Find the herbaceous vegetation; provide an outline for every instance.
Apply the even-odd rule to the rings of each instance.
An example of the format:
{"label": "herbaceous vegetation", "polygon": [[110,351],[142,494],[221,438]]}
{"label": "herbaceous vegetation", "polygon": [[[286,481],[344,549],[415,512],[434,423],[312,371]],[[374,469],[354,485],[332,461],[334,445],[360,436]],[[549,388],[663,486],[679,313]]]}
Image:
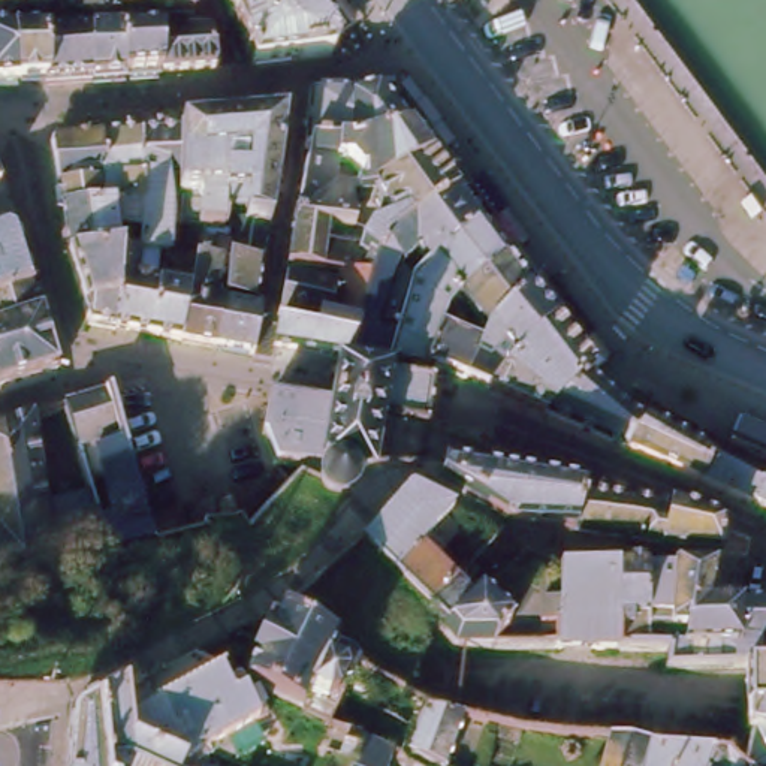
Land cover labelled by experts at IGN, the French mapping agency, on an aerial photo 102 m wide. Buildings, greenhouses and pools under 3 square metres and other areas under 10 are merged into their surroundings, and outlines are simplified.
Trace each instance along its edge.
{"label": "herbaceous vegetation", "polygon": [[293,751],[278,754],[266,745],[248,757],[236,757],[239,766],[311,766],[317,742],[323,739],[323,724],[305,715],[299,706],[278,697],[278,724],[287,730]]}
{"label": "herbaceous vegetation", "polygon": [[60,679],[105,679],[111,670],[129,667],[150,646],[162,643],[177,631],[186,631],[197,616],[194,604],[186,601],[186,592],[174,580],[159,583],[150,598],[144,598],[129,616],[123,616],[117,637],[102,652],[96,652],[87,640],[96,631],[102,631],[108,619],[75,613],[63,572],[54,566],[42,575],[48,595],[24,610],[24,619],[33,622],[33,634],[27,640],[0,643],[0,679]]}
{"label": "herbaceous vegetation", "polygon": [[317,470],[299,470],[287,479],[254,515],[245,512],[242,518],[227,518],[206,536],[212,542],[221,542],[236,557],[233,580],[215,595],[215,601],[227,604],[245,586],[272,563],[272,557],[281,557],[284,563],[302,563],[302,554],[323,530],[338,494],[320,485],[323,473]]}

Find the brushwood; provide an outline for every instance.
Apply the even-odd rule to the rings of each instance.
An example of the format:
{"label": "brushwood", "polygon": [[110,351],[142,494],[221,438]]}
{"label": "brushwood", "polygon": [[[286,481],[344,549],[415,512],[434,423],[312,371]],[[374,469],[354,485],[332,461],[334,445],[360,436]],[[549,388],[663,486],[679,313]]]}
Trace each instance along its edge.
{"label": "brushwood", "polygon": [[485,539],[497,536],[497,524],[458,503],[449,515],[464,530],[476,530]]}

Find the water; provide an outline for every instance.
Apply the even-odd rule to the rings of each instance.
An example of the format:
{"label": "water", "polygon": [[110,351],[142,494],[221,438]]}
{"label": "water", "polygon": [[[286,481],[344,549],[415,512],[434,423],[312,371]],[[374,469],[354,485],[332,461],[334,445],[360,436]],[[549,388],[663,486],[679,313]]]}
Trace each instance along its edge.
{"label": "water", "polygon": [[691,75],[700,81],[700,87],[709,93],[709,99],[733,126],[733,132],[742,138],[757,165],[766,171],[766,0],[637,0],[652,18],[652,24],[661,30],[661,36],[682,57],[682,63],[691,69]]}

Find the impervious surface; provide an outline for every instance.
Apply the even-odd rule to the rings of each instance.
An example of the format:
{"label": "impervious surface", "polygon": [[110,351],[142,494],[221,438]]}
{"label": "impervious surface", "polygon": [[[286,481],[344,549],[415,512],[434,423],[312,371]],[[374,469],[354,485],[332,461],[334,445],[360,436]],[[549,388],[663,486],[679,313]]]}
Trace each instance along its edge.
{"label": "impervious surface", "polygon": [[[242,518],[245,512],[254,515],[287,479],[275,467],[281,458],[263,437],[263,410],[269,404],[269,392],[278,383],[329,389],[338,368],[335,344],[314,344],[311,338],[302,338],[302,344],[296,347],[293,341],[272,341],[284,278],[293,278],[302,293],[320,290],[326,296],[338,290],[341,272],[338,266],[290,260],[293,209],[299,197],[308,197],[308,192],[299,192],[305,141],[320,123],[317,108],[323,84],[332,78],[359,81],[365,75],[386,75],[392,81],[410,78],[437,108],[449,132],[440,144],[461,168],[461,177],[470,183],[473,197],[482,203],[479,212],[488,215],[494,230],[506,242],[524,251],[527,278],[536,278],[536,287],[551,284],[560,302],[569,308],[569,314],[580,323],[580,329],[601,347],[604,362],[595,386],[613,395],[622,407],[628,407],[631,416],[655,416],[667,428],[703,446],[736,455],[757,473],[766,473],[766,171],[757,165],[742,138],[733,132],[733,126],[709,99],[709,93],[700,87],[700,81],[691,75],[691,69],[682,63],[682,57],[661,36],[661,30],[652,24],[652,18],[637,0],[332,0],[341,9],[344,24],[341,39],[335,45],[257,51],[248,39],[245,24],[236,18],[230,0],[105,0],[90,3],[93,15],[120,15],[123,27],[132,27],[147,12],[159,12],[159,18],[165,21],[162,27],[168,27],[177,36],[215,30],[221,39],[221,57],[215,69],[144,69],[147,81],[87,84],[75,93],[69,87],[42,90],[39,81],[0,84],[0,215],[15,212],[21,218],[27,248],[36,266],[33,278],[42,284],[51,302],[51,320],[60,329],[63,353],[63,368],[21,377],[0,389],[0,419],[18,407],[24,407],[27,416],[36,416],[48,473],[45,491],[51,497],[81,491],[87,482],[78,461],[78,437],[69,419],[63,416],[63,395],[117,377],[129,425],[135,434],[141,434],[144,449],[135,452],[141,458],[141,485],[150,500],[153,521],[162,527],[165,545],[189,536],[197,542],[200,536],[206,536],[227,518]],[[72,257],[66,251],[63,209],[57,203],[57,177],[48,141],[57,138],[60,129],[75,129],[81,123],[102,126],[129,117],[150,120],[153,114],[180,117],[186,105],[194,105],[206,114],[260,111],[251,102],[254,93],[293,96],[275,212],[257,224],[254,239],[248,242],[263,251],[263,281],[257,284],[263,299],[254,311],[260,314],[257,350],[245,356],[209,347],[186,347],[150,332],[141,332],[135,341],[126,344],[120,335],[96,332],[84,320],[84,296],[78,287],[78,275],[72,269]]]}
{"label": "impervious surface", "polygon": [[335,655],[341,649],[362,652],[374,661],[374,676],[380,676],[383,670],[395,670],[398,676],[404,676],[410,688],[419,688],[449,703],[467,703],[476,709],[533,721],[634,724],[649,727],[655,733],[718,736],[733,739],[742,748],[748,742],[751,727],[748,691],[739,673],[682,670],[670,667],[661,655],[655,655],[643,667],[616,667],[613,661],[580,664],[560,661],[548,652],[452,646],[440,631],[428,634],[428,646],[422,652],[395,649],[386,640],[389,598],[398,580],[404,577],[371,536],[353,542],[335,539],[323,530],[302,554],[302,563],[284,563],[281,557],[272,557],[272,563],[245,586],[251,592],[266,592],[269,598],[284,598],[284,592],[290,589],[317,598],[317,604],[338,616]]}
{"label": "impervious surface", "polygon": [[51,733],[51,721],[42,715],[66,697],[60,679],[0,679],[0,766],[45,766],[45,742]]}
{"label": "impervious surface", "polygon": [[449,554],[449,560],[467,575],[467,583],[461,589],[464,604],[524,601],[536,575],[545,566],[557,563],[566,551],[646,548],[652,557],[661,560],[679,551],[688,551],[694,557],[715,551],[721,563],[748,557],[751,545],[757,551],[766,551],[766,509],[757,506],[757,500],[736,500],[727,491],[712,488],[712,470],[703,461],[691,461],[688,467],[676,470],[664,461],[631,452],[625,440],[616,449],[595,446],[589,440],[580,440],[563,428],[536,422],[515,410],[476,410],[461,407],[458,401],[452,407],[443,407],[434,398],[431,419],[416,419],[404,416],[404,401],[386,395],[374,398],[374,416],[386,419],[386,428],[380,431],[380,452],[401,455],[401,464],[416,461],[416,467],[422,470],[428,461],[446,461],[446,455],[470,461],[473,452],[500,449],[515,455],[536,455],[539,461],[580,464],[589,479],[607,482],[607,494],[601,497],[607,503],[652,506],[658,512],[667,512],[670,506],[688,506],[727,515],[727,527],[715,536],[667,536],[658,530],[646,530],[637,521],[586,521],[577,530],[569,530],[563,515],[551,512],[503,512],[497,524],[497,536],[485,539],[476,530],[464,530],[449,515],[431,530],[431,542],[437,542]]}

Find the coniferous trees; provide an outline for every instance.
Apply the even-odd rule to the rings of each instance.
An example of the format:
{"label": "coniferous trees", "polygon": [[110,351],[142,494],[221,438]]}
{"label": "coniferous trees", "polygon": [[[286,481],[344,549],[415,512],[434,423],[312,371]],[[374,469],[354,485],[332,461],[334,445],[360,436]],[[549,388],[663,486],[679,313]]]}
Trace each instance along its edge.
{"label": "coniferous trees", "polygon": [[24,610],[48,595],[42,575],[54,566],[63,572],[75,613],[108,619],[102,631],[96,631],[87,640],[96,652],[102,652],[117,637],[123,616],[129,616],[144,598],[150,598],[159,583],[174,580],[186,592],[186,601],[194,604],[215,595],[233,580],[236,557],[221,542],[212,542],[206,536],[200,536],[197,542],[189,536],[165,545],[123,542],[105,521],[90,515],[69,524],[66,533],[42,533],[36,539],[9,542],[0,548],[0,643],[27,640],[33,634],[33,622],[24,619]]}

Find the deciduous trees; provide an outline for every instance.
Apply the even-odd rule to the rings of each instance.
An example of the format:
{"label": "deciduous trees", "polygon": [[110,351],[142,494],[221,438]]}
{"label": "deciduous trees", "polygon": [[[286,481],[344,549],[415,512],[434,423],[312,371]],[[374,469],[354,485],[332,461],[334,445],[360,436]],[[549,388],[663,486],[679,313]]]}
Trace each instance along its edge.
{"label": "deciduous trees", "polygon": [[428,646],[428,634],[440,631],[440,613],[428,607],[428,601],[404,577],[398,580],[389,598],[386,640],[395,649],[422,652]]}

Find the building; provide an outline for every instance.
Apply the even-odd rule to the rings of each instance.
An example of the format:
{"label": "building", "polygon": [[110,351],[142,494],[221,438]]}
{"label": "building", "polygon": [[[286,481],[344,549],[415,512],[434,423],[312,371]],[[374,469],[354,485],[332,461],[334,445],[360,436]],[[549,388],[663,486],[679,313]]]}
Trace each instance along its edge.
{"label": "building", "polygon": [[60,329],[51,320],[51,302],[42,284],[33,278],[36,266],[27,248],[21,218],[15,212],[0,215],[0,389],[21,377],[63,368],[63,353]]}
{"label": "building", "polygon": [[431,419],[434,398],[443,407],[452,407],[458,401],[461,407],[476,410],[515,410],[536,422],[563,428],[580,440],[589,440],[595,446],[616,449],[625,440],[631,452],[664,461],[676,470],[688,467],[691,461],[703,461],[712,470],[712,488],[727,491],[736,500],[757,500],[757,506],[766,509],[766,473],[757,473],[736,455],[703,446],[667,428],[655,416],[631,416],[628,407],[622,407],[613,395],[595,386],[604,362],[601,347],[580,329],[580,323],[569,314],[569,308],[560,302],[551,284],[536,287],[536,278],[527,278],[524,251],[506,242],[494,230],[488,215],[479,212],[482,203],[473,197],[470,183],[461,177],[461,168],[440,144],[449,132],[437,108],[410,78],[392,81],[386,75],[365,75],[359,81],[332,78],[323,84],[317,108],[320,123],[305,141],[299,192],[308,192],[308,197],[299,197],[293,209],[290,260],[338,266],[341,272],[338,290],[326,296],[320,290],[302,293],[293,278],[284,278],[272,341],[293,341],[296,347],[302,344],[302,338],[311,338],[314,344],[335,344],[338,368],[329,389],[278,383],[269,392],[269,404],[263,410],[263,437],[281,458],[275,467],[287,479],[299,470],[317,470],[323,473],[320,485],[338,494],[323,530],[335,539],[353,542],[371,536],[404,577],[428,601],[428,607],[440,613],[440,631],[452,646],[548,652],[560,661],[580,664],[613,661],[616,667],[643,667],[655,655],[661,655],[670,667],[682,670],[739,673],[748,691],[751,727],[748,742],[742,748],[733,739],[718,736],[655,733],[649,727],[634,724],[533,721],[476,709],[467,703],[449,703],[419,688],[410,688],[404,676],[398,676],[395,670],[383,670],[380,676],[374,676],[374,661],[362,652],[341,649],[335,655],[338,616],[317,604],[317,598],[290,589],[284,592],[284,598],[269,598],[266,592],[251,592],[245,586],[227,604],[215,601],[215,595],[194,604],[197,616],[186,631],[177,631],[162,643],[150,646],[129,667],[111,670],[105,679],[60,679],[66,697],[42,715],[51,721],[51,733],[45,742],[45,766],[239,766],[236,757],[248,757],[266,745],[278,754],[293,751],[287,730],[278,724],[278,697],[299,706],[305,715],[323,724],[323,739],[317,742],[311,766],[766,766],[766,551],[757,551],[751,545],[748,557],[721,563],[715,551],[694,557],[688,551],[679,551],[661,560],[652,557],[646,548],[566,551],[557,563],[545,566],[536,575],[524,601],[464,604],[461,589],[467,583],[467,575],[449,560],[449,554],[437,542],[431,542],[431,530],[449,515],[458,503],[497,524],[503,512],[551,512],[563,515],[569,530],[577,530],[586,521],[637,521],[646,530],[658,530],[667,536],[715,536],[727,527],[727,515],[688,506],[670,506],[667,512],[658,512],[652,506],[607,503],[601,497],[607,494],[607,482],[589,479],[580,464],[539,461],[536,455],[515,455],[500,449],[473,452],[470,461],[446,455],[446,461],[428,461],[422,470],[416,467],[416,461],[401,464],[401,455],[380,452],[380,431],[386,428],[386,419],[374,416],[374,398],[386,395],[404,401],[404,416],[416,419]]}
{"label": "building", "polygon": [[194,105],[186,105],[180,117],[153,114],[150,120],[129,117],[102,126],[81,123],[75,129],[60,129],[57,138],[48,141],[57,177],[57,203],[63,209],[66,251],[72,257],[72,269],[78,275],[78,287],[84,296],[84,320],[96,332],[120,335],[126,344],[135,341],[141,332],[150,332],[186,347],[209,347],[245,356],[257,350],[260,314],[254,311],[263,299],[257,284],[263,281],[263,251],[248,242],[254,239],[257,224],[275,212],[293,96],[254,93],[251,102],[260,111],[206,114]]}
{"label": "building", "polygon": [[332,0],[230,0],[236,18],[245,24],[248,39],[257,51],[335,45],[341,39],[344,24],[341,9]]}
{"label": "building", "polygon": [[123,27],[120,15],[93,15],[90,3],[105,0],[0,0],[0,84],[39,81],[42,90],[69,87],[75,93],[87,84],[147,81],[144,69],[215,69],[221,57],[221,39],[215,30],[177,36],[168,27],[162,27],[165,21],[159,18],[159,12],[147,12],[132,27]]}
{"label": "building", "polygon": [[36,416],[27,416],[24,407],[18,407],[0,419],[0,548],[9,542],[36,539],[42,533],[66,533],[69,524],[90,515],[105,521],[123,542],[165,545],[162,527],[153,521],[150,500],[141,485],[141,458],[135,452],[144,449],[141,434],[135,434],[129,425],[117,377],[63,395],[63,416],[69,419],[78,437],[78,461],[87,482],[81,491],[51,497],[45,491],[48,473]]}

